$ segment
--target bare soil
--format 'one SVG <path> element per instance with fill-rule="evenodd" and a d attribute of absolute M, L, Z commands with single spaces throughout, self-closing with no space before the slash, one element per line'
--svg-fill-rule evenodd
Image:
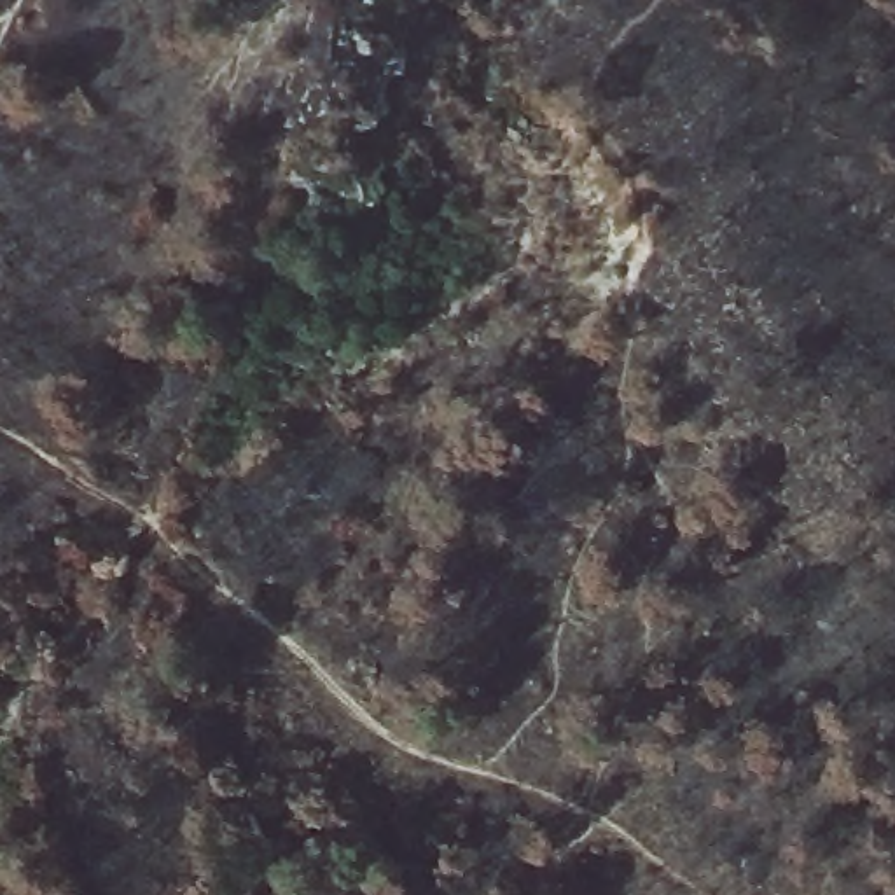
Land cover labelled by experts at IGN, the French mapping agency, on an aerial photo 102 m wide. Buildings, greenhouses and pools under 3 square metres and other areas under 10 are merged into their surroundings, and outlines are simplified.
<path fill-rule="evenodd" d="M 724 45 L 710 42 L 706 31 L 692 21 L 685 0 L 234 0 L 234 35 L 196 31 L 192 38 L 164 38 L 157 31 L 157 17 L 171 0 L 0 0 L 0 91 L 7 80 L 24 87 L 28 101 L 38 112 L 38 122 L 21 129 L 10 129 L 7 115 L 0 112 L 0 895 L 182 895 L 192 885 L 192 864 L 182 846 L 185 808 L 203 815 L 203 853 L 213 874 L 210 885 L 220 895 L 273 895 L 269 867 L 301 853 L 308 839 L 350 846 L 357 853 L 353 864 L 367 871 L 367 881 L 360 888 L 364 895 L 839 895 L 839 874 L 857 864 L 853 850 L 860 846 L 860 818 L 874 808 L 881 818 L 895 825 L 895 801 L 888 787 L 857 783 L 850 738 L 829 741 L 822 755 L 790 762 L 773 755 L 766 731 L 745 731 L 745 738 L 720 741 L 706 731 L 696 745 L 671 748 L 668 755 L 654 745 L 636 745 L 636 762 L 622 762 L 615 773 L 598 780 L 584 769 L 573 769 L 563 759 L 559 738 L 545 734 L 545 724 L 559 720 L 566 699 L 584 696 L 598 713 L 598 738 L 619 741 L 629 720 L 647 720 L 643 692 L 664 689 L 671 682 L 675 657 L 696 664 L 727 661 L 734 671 L 731 685 L 717 678 L 699 678 L 699 689 L 710 703 L 734 703 L 731 689 L 752 682 L 762 703 L 769 706 L 780 696 L 794 699 L 801 682 L 822 678 L 825 685 L 843 689 L 846 699 L 867 699 L 881 706 L 881 717 L 892 724 L 892 734 L 885 738 L 888 755 L 895 755 L 895 84 L 881 84 L 878 42 L 871 35 L 885 21 L 885 14 L 871 10 L 867 0 L 783 0 L 783 7 L 790 10 L 790 38 L 773 45 L 773 38 L 759 35 L 759 52 L 727 52 Z M 189 129 L 217 133 L 217 164 L 231 168 L 234 178 L 227 178 L 231 203 L 213 210 L 206 220 L 213 276 L 192 287 L 203 329 L 175 325 L 175 339 L 164 343 L 143 336 L 147 301 L 140 294 L 126 294 L 126 287 L 129 280 L 161 280 L 164 273 L 175 276 L 161 259 L 161 224 L 175 217 L 175 147 L 185 140 Z M 287 413 L 287 427 L 276 437 L 266 430 L 248 434 L 248 441 L 238 451 L 238 468 L 245 475 L 185 472 L 185 465 L 178 461 L 182 423 L 189 420 L 192 399 L 210 381 L 210 374 L 192 364 L 203 357 L 203 332 L 213 339 L 238 339 L 248 318 L 262 308 L 262 297 L 269 294 L 269 283 L 276 276 L 262 259 L 255 259 L 259 220 L 269 199 L 287 199 L 287 206 L 304 213 L 304 206 L 322 203 L 318 189 L 332 189 L 360 206 L 378 206 L 381 182 L 367 182 L 367 175 L 381 161 L 395 161 L 406 140 L 416 140 L 420 150 L 430 154 L 430 164 L 437 171 L 448 171 L 454 161 L 468 161 L 472 171 L 482 178 L 482 210 L 496 210 L 493 227 L 500 227 L 493 241 L 500 269 L 482 287 L 458 294 L 448 304 L 448 311 L 441 311 L 430 325 L 406 336 L 392 350 L 360 353 L 346 343 L 343 350 L 329 350 L 325 357 L 332 360 L 332 378 L 318 388 L 322 399 L 315 399 L 311 409 L 294 406 Z M 713 430 L 738 413 L 755 413 L 755 434 L 741 437 L 741 468 L 734 479 L 727 479 L 745 510 L 745 549 L 731 549 L 720 538 L 720 531 L 703 535 L 699 521 L 689 510 L 675 517 L 671 503 L 664 503 L 664 496 L 657 493 L 654 472 L 664 458 L 664 448 L 647 448 L 654 434 L 650 427 L 622 427 L 619 392 L 601 381 L 619 378 L 622 346 L 629 336 L 661 336 L 668 343 L 668 350 L 650 360 L 650 374 L 657 374 L 654 392 L 661 399 L 657 427 L 692 423 L 699 430 Z M 87 381 L 98 395 L 101 413 L 94 430 L 84 430 L 66 416 L 59 402 L 52 402 L 52 388 L 84 388 Z M 451 399 L 465 399 L 472 409 L 479 409 L 486 423 L 500 430 L 507 444 L 521 444 L 521 461 L 500 465 L 500 475 L 451 472 L 451 493 L 454 507 L 461 510 L 461 528 L 448 538 L 423 608 L 430 612 L 427 622 L 434 626 L 427 671 L 430 678 L 448 685 L 444 696 L 451 699 L 454 717 L 461 720 L 454 727 L 430 731 L 409 706 L 409 692 L 395 682 L 385 682 L 385 671 L 392 664 L 402 664 L 395 657 L 399 643 L 392 636 L 392 577 L 402 573 L 416 556 L 416 531 L 409 528 L 409 514 L 402 510 L 399 517 L 385 517 L 385 489 L 399 475 L 399 468 L 416 472 L 420 461 L 434 461 L 437 444 L 444 441 L 437 437 L 437 409 Z M 615 608 L 615 591 L 636 587 L 661 587 L 668 601 L 685 605 L 678 640 L 643 650 L 640 619 Z M 182 734 L 150 720 L 140 689 L 115 692 L 108 685 L 112 671 L 129 671 L 143 664 L 143 654 L 129 647 L 129 608 L 140 615 L 140 622 L 157 619 L 171 636 L 178 629 L 192 633 L 192 640 L 213 661 L 213 685 L 203 696 L 196 720 Z"/>

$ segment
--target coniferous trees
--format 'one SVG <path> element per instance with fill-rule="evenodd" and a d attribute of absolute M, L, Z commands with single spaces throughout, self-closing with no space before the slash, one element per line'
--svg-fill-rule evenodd
<path fill-rule="evenodd" d="M 692 21 L 706 31 L 710 42 L 724 45 L 727 52 L 759 52 L 759 35 L 773 38 L 773 45 L 790 38 L 790 10 L 783 7 L 783 0 L 685 0 Z"/>
<path fill-rule="evenodd" d="M 129 608 L 129 647 L 143 654 L 143 664 L 129 671 L 112 671 L 108 685 L 115 692 L 140 689 L 150 720 L 182 734 L 196 720 L 203 696 L 213 685 L 213 661 L 192 640 L 192 633 L 178 629 L 171 636 L 157 619 L 140 622 L 140 615 Z"/>
<path fill-rule="evenodd" d="M 871 10 L 885 14 L 885 21 L 871 35 L 878 42 L 881 84 L 895 84 L 895 0 L 867 0 Z"/>
<path fill-rule="evenodd" d="M 28 101 L 24 87 L 7 80 L 0 91 L 0 112 L 7 115 L 10 129 L 21 129 L 38 122 L 38 112 Z"/>
<path fill-rule="evenodd" d="M 360 353 L 392 350 L 406 336 L 430 325 L 441 311 L 448 311 L 448 304 L 458 294 L 482 287 L 500 269 L 493 241 L 500 227 L 493 227 L 496 210 L 482 210 L 482 178 L 472 171 L 468 161 L 454 161 L 448 171 L 437 171 L 430 164 L 430 154 L 420 150 L 416 140 L 406 140 L 395 161 L 381 161 L 367 175 L 367 182 L 381 182 L 378 206 L 360 206 L 332 189 L 318 189 L 322 203 L 304 206 L 304 213 L 287 206 L 287 199 L 269 199 L 259 220 L 255 259 L 262 259 L 276 276 L 269 283 L 269 294 L 262 297 L 262 308 L 248 318 L 238 339 L 213 339 L 203 332 L 203 357 L 192 364 L 210 374 L 210 381 L 192 399 L 189 420 L 182 423 L 178 461 L 185 465 L 185 472 L 245 475 L 238 468 L 238 451 L 248 441 L 248 434 L 266 430 L 276 437 L 287 427 L 287 413 L 294 406 L 311 409 L 315 399 L 322 399 L 318 388 L 332 378 L 332 360 L 325 357 L 329 350 L 343 350 L 346 343 Z"/>
<path fill-rule="evenodd" d="M 392 664 L 385 671 L 385 682 L 395 682 L 409 692 L 409 706 L 430 731 L 454 727 L 461 720 L 454 717 L 451 699 L 444 696 L 448 685 L 430 678 L 427 671 L 434 626 L 427 622 L 430 612 L 423 608 L 448 538 L 461 528 L 461 510 L 454 507 L 451 493 L 451 472 L 500 475 L 500 465 L 521 461 L 521 444 L 507 444 L 500 430 L 486 423 L 479 409 L 472 409 L 465 399 L 451 399 L 437 409 L 437 437 L 444 441 L 437 444 L 434 461 L 420 461 L 416 472 L 399 468 L 399 475 L 385 489 L 385 517 L 399 517 L 402 510 L 409 514 L 409 528 L 416 531 L 416 556 L 402 573 L 392 577 L 392 636 L 399 643 L 395 657 L 402 664 Z"/>
<path fill-rule="evenodd" d="M 895 895 L 895 825 L 881 818 L 874 808 L 860 818 L 860 846 L 853 850 L 857 864 L 839 874 L 839 895 Z"/>
<path fill-rule="evenodd" d="M 217 133 L 189 129 L 185 140 L 175 147 L 175 217 L 161 224 L 161 259 L 175 276 L 164 273 L 161 280 L 129 280 L 126 287 L 126 294 L 140 294 L 147 301 L 143 336 L 164 343 L 175 339 L 175 325 L 203 329 L 192 287 L 213 276 L 206 220 L 213 210 L 231 203 L 227 178 L 234 178 L 231 168 L 217 164 Z"/>
<path fill-rule="evenodd" d="M 668 601 L 661 587 L 636 587 L 615 591 L 615 608 L 640 619 L 643 650 L 678 640 L 685 605 Z"/>
<path fill-rule="evenodd" d="M 196 31 L 234 35 L 234 0 L 171 0 L 157 17 L 157 31 L 164 38 L 192 38 Z"/>
<path fill-rule="evenodd" d="M 822 755 L 829 741 L 850 738 L 857 783 L 888 787 L 895 801 L 895 755 L 888 755 L 885 738 L 892 734 L 892 724 L 881 717 L 881 706 L 867 699 L 846 699 L 843 689 L 825 685 L 822 678 L 801 682 L 794 699 L 780 696 L 769 706 L 762 703 L 752 682 L 731 689 L 734 703 L 710 703 L 699 689 L 699 678 L 717 678 L 731 685 L 734 671 L 727 661 L 696 664 L 675 657 L 671 682 L 664 689 L 643 692 L 647 720 L 629 720 L 619 741 L 598 738 L 598 713 L 584 696 L 566 699 L 559 720 L 545 724 L 545 734 L 559 738 L 563 759 L 573 769 L 584 769 L 598 780 L 615 773 L 622 762 L 636 762 L 636 745 L 654 745 L 668 755 L 671 748 L 696 745 L 706 731 L 720 741 L 745 738 L 745 731 L 766 731 L 773 755 L 790 762 Z"/>
<path fill-rule="evenodd" d="M 619 378 L 601 381 L 619 392 L 622 427 L 650 427 L 654 434 L 647 448 L 664 448 L 664 458 L 654 472 L 657 493 L 664 496 L 664 503 L 671 503 L 675 517 L 689 510 L 699 521 L 703 535 L 720 531 L 720 538 L 731 549 L 745 549 L 745 510 L 727 479 L 734 479 L 741 468 L 741 437 L 755 434 L 755 413 L 738 413 L 713 430 L 699 430 L 692 423 L 657 427 L 661 399 L 654 392 L 657 374 L 650 374 L 650 360 L 668 350 L 668 343 L 661 336 L 629 336 L 622 346 Z"/>
<path fill-rule="evenodd" d="M 52 388 L 52 402 L 59 402 L 66 416 L 84 430 L 94 430 L 101 413 L 98 395 L 87 381 L 84 388 Z"/>

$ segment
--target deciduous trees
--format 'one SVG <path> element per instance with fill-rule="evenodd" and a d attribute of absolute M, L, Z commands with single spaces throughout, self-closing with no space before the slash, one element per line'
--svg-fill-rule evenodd
<path fill-rule="evenodd" d="M 269 867 L 273 895 L 364 895 L 360 888 L 367 881 L 367 871 L 353 864 L 357 853 L 350 846 L 308 839 L 301 853 Z"/>
<path fill-rule="evenodd" d="M 185 808 L 182 846 L 192 864 L 192 885 L 182 895 L 220 895 L 210 885 L 213 874 L 203 853 L 203 815 Z"/>

